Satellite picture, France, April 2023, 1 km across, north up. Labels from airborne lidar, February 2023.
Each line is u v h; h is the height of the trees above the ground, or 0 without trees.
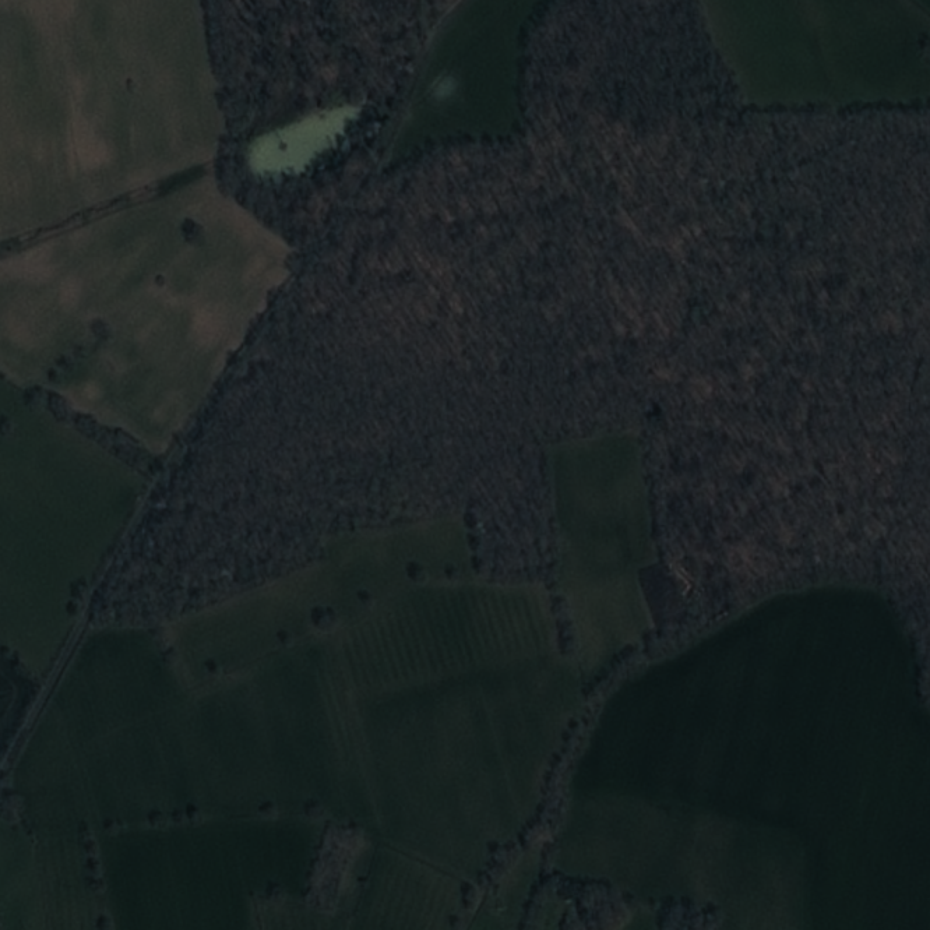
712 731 0
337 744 0
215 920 0
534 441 23
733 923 0
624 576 0
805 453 25
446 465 24
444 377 23
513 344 25
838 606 0
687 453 22
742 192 20
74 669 0
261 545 17
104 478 0
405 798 0
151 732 0
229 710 0
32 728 0
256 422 26
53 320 0
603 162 25
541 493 25
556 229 24
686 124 24
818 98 0
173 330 0
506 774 0
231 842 0
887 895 0
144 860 0
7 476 0
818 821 0
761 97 0
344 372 25
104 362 0
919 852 0
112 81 0
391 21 25
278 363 18
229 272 0
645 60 22
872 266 21
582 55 24
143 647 0
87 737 0
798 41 0
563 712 0
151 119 0
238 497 22
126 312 0
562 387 24
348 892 0
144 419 0
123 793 0
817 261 26
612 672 10
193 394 0
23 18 0
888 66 0
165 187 0
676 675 0
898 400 23
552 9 15
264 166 0
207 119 0
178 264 0
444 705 0
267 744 0
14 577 0
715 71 22
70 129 0
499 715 0
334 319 26
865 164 25
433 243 25
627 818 0
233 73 23
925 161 29
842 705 0
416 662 0
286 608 0
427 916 0
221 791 0
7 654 12
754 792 0
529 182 27
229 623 0
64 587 0
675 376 24
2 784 19
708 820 0
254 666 0
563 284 27
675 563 25
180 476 17
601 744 0
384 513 14
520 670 0
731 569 21
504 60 0
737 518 25
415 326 26
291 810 0
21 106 0
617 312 26
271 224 18
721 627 17
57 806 0
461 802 0
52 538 0
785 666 0
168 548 22
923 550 24
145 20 0
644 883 0
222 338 0
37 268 0
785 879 0
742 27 0
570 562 0
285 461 24
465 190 22
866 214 25
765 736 0
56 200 0
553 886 19
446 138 0
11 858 0
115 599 21
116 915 0
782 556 21
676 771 0
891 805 0
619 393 24
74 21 0
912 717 0
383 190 23
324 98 26
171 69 0
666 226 25
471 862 0
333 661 0
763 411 21
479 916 0
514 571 23
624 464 0
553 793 15
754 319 23
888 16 0
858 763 0
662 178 15
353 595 0
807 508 25
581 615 0
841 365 20
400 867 0
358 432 28
